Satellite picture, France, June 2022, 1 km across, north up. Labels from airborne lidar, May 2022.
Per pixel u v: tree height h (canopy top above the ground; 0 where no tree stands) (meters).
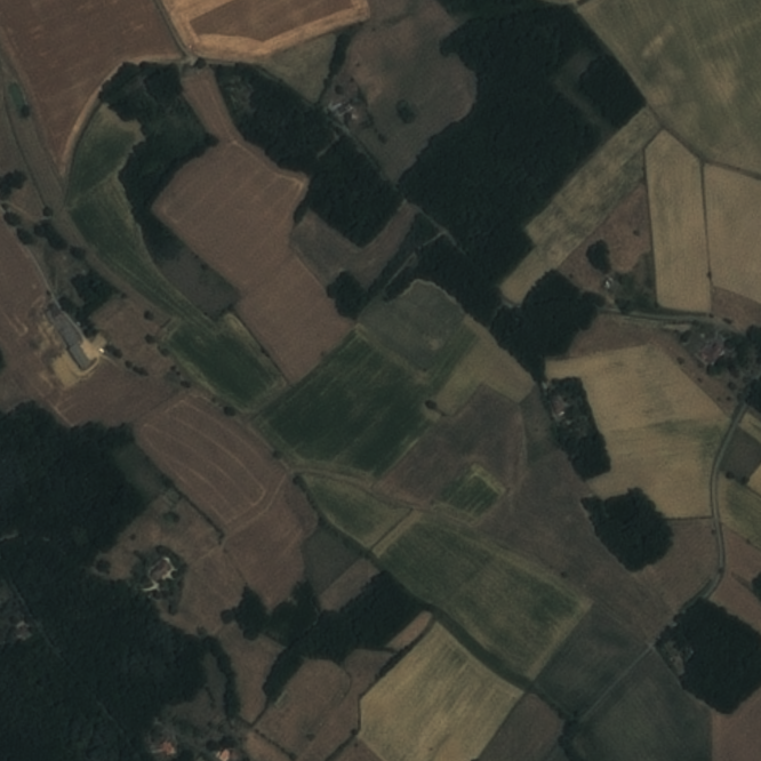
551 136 18
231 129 0
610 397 0
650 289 0
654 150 0
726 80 0
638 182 0
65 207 0
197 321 0
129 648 18
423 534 0
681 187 0
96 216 0
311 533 0
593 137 16
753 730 0
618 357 0
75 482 19
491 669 0
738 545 0
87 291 20
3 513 10
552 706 7
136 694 19
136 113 11
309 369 0
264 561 0
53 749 18
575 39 12
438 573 0
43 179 0
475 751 0
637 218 0
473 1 9
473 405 0
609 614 0
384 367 0
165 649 22
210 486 0
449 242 10
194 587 0
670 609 0
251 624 19
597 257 16
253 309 0
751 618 0
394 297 9
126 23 0
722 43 0
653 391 0
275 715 0
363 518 0
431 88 0
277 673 18
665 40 0
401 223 0
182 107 6
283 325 0
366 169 11
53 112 0
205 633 8
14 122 0
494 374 0
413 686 0
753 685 16
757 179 0
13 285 0
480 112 11
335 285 8
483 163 12
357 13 0
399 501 0
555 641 0
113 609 13
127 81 7
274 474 0
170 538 0
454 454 0
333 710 0
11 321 0
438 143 16
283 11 0
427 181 16
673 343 0
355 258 0
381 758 0
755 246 0
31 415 15
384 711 0
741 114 0
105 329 0
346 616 15
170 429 0
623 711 0
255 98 16
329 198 16
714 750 0
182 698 14
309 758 0
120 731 8
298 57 0
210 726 11
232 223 0
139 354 0
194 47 0
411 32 0
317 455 0
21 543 13
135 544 0
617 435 0
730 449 0
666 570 0
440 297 0
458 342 0
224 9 0
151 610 19
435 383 0
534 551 0
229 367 0
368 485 0
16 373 0
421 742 0
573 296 14
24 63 0
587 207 0
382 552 0
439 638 0
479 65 7
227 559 0
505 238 19
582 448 16
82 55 0
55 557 13
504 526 0
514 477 0
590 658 0
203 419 0
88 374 0
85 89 0
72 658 18
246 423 0
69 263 0
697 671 19
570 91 0
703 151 0
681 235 0
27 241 15
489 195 11
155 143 6
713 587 0
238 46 0
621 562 9
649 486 0
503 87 19
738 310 0
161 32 0
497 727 0
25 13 0
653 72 0
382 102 0
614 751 0
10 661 13
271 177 0
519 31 19
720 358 10
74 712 10
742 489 0
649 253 0
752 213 0
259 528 0
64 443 16
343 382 0
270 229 0
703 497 0
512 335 17
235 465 0
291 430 0
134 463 0
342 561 0
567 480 0
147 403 0
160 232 7
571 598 0
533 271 0
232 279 0
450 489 0
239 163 0
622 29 0
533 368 14
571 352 0
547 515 0
